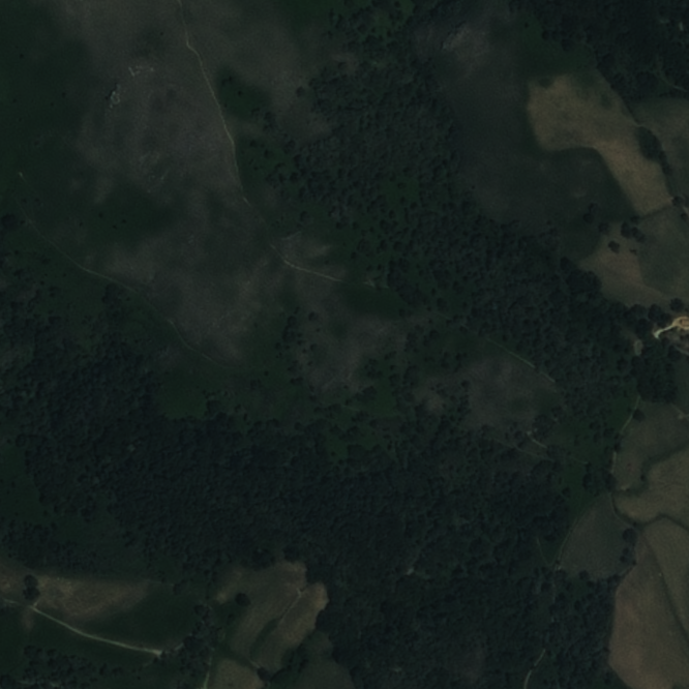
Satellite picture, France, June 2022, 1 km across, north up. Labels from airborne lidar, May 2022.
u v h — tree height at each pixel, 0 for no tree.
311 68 0
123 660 0
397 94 10
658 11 8
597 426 13
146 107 0
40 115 0
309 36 0
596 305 17
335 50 0
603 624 12
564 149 0
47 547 14
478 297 11
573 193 0
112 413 15
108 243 0
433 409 0
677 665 0
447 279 16
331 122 10
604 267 0
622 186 0
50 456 15
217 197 0
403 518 9
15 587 0
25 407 13
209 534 21
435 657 9
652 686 0
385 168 19
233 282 0
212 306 0
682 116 0
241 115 0
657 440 0
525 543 19
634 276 0
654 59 7
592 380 13
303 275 0
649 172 0
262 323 0
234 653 0
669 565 0
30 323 13
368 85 18
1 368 6
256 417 0
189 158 0
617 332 16
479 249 14
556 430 7
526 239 14
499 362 0
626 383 13
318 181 20
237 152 0
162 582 8
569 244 0
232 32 0
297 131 0
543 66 0
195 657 14
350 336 0
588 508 0
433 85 13
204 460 18
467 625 18
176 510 17
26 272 6
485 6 0
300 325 10
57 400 17
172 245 0
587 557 0
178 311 0
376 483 21
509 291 15
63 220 0
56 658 15
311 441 15
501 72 0
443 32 0
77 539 0
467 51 0
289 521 14
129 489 15
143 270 0
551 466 9
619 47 12
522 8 10
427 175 10
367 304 0
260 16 0
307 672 0
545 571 12
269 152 14
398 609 27
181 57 0
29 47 0
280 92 0
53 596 0
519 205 0
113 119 0
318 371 0
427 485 9
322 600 0
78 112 0
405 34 7
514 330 14
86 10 0
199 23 0
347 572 15
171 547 8
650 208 0
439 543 19
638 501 0
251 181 0
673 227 0
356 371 0
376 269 8
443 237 13
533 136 0
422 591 20
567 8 22
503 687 18
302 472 12
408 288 16
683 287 0
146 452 25
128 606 0
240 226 0
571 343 14
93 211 0
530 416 0
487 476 15
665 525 0
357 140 17
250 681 0
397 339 0
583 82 0
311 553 16
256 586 0
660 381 22
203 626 11
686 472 0
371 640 25
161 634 0
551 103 0
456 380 0
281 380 0
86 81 0
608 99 0
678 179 0
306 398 0
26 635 0
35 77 0
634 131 0
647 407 0
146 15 0
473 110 0
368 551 18
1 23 0
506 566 14
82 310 0
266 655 0
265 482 16
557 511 20
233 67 0
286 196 10
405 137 14
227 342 0
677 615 0
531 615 22
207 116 0
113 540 0
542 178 0
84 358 13
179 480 16
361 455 19
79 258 0
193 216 0
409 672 8
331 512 17
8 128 0
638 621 0
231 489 20
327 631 24
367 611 20
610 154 0
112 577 0
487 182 0
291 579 0
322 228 0
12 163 0
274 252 0
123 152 0
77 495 24
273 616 0
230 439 21
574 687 13
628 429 0
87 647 0
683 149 0
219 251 0
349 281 0
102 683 0
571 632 13
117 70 0
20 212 0
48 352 10
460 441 13
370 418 10
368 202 10
